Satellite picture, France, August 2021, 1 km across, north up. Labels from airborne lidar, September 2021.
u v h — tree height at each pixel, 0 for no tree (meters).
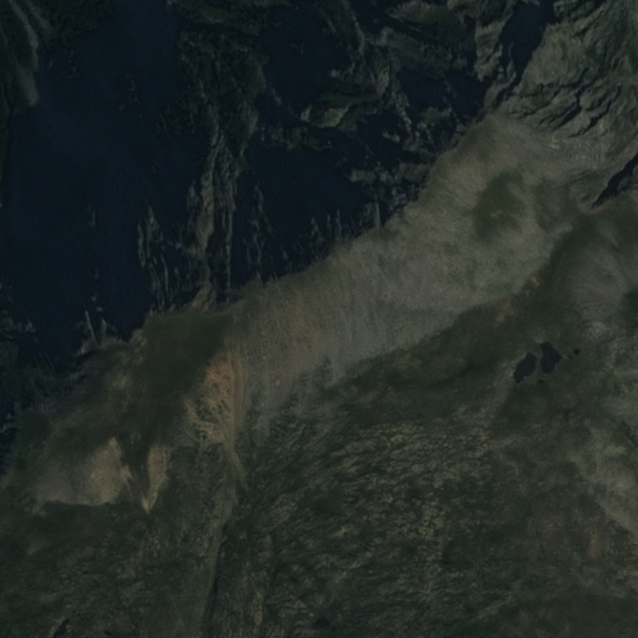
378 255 0
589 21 0
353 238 0
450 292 0
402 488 0
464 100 0
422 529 0
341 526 0
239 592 0
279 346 0
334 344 0
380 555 0
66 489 0
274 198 0
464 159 0
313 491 0
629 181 0
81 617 0
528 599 0
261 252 0
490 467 0
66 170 8
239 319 0
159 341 0
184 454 0
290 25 8
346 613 0
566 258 0
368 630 0
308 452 0
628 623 0
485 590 0
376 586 0
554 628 0
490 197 0
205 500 0
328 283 0
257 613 0
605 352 0
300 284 0
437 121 0
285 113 0
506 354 0
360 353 0
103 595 0
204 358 0
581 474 0
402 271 0
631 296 0
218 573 0
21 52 6
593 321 0
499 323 0
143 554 0
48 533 0
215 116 0
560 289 0
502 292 0
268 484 0
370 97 0
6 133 8
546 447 0
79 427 0
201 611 0
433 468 0
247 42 7
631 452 0
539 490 0
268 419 0
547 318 0
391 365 0
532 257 0
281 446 0
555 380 0
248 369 0
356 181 0
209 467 0
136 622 0
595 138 0
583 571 0
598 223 0
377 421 0
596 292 0
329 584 0
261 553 0
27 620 0
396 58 0
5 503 0
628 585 0
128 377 0
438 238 0
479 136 0
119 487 0
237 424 0
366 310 0
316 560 0
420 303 0
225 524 0
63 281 0
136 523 0
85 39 9
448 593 0
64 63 13
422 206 0
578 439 0
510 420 0
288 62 0
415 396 0
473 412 0
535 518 0
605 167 0
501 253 0
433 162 0
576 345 0
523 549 0
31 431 0
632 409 0
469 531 0
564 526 0
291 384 0
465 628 0
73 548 0
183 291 0
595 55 0
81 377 0
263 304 0
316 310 0
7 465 0
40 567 0
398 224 0
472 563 0
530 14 0
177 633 0
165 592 0
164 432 0
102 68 8
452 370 0
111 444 0
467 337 0
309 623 0
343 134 0
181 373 0
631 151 0
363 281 0
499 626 0
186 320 0
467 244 0
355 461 0
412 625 0
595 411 0
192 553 0
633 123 0
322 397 0
